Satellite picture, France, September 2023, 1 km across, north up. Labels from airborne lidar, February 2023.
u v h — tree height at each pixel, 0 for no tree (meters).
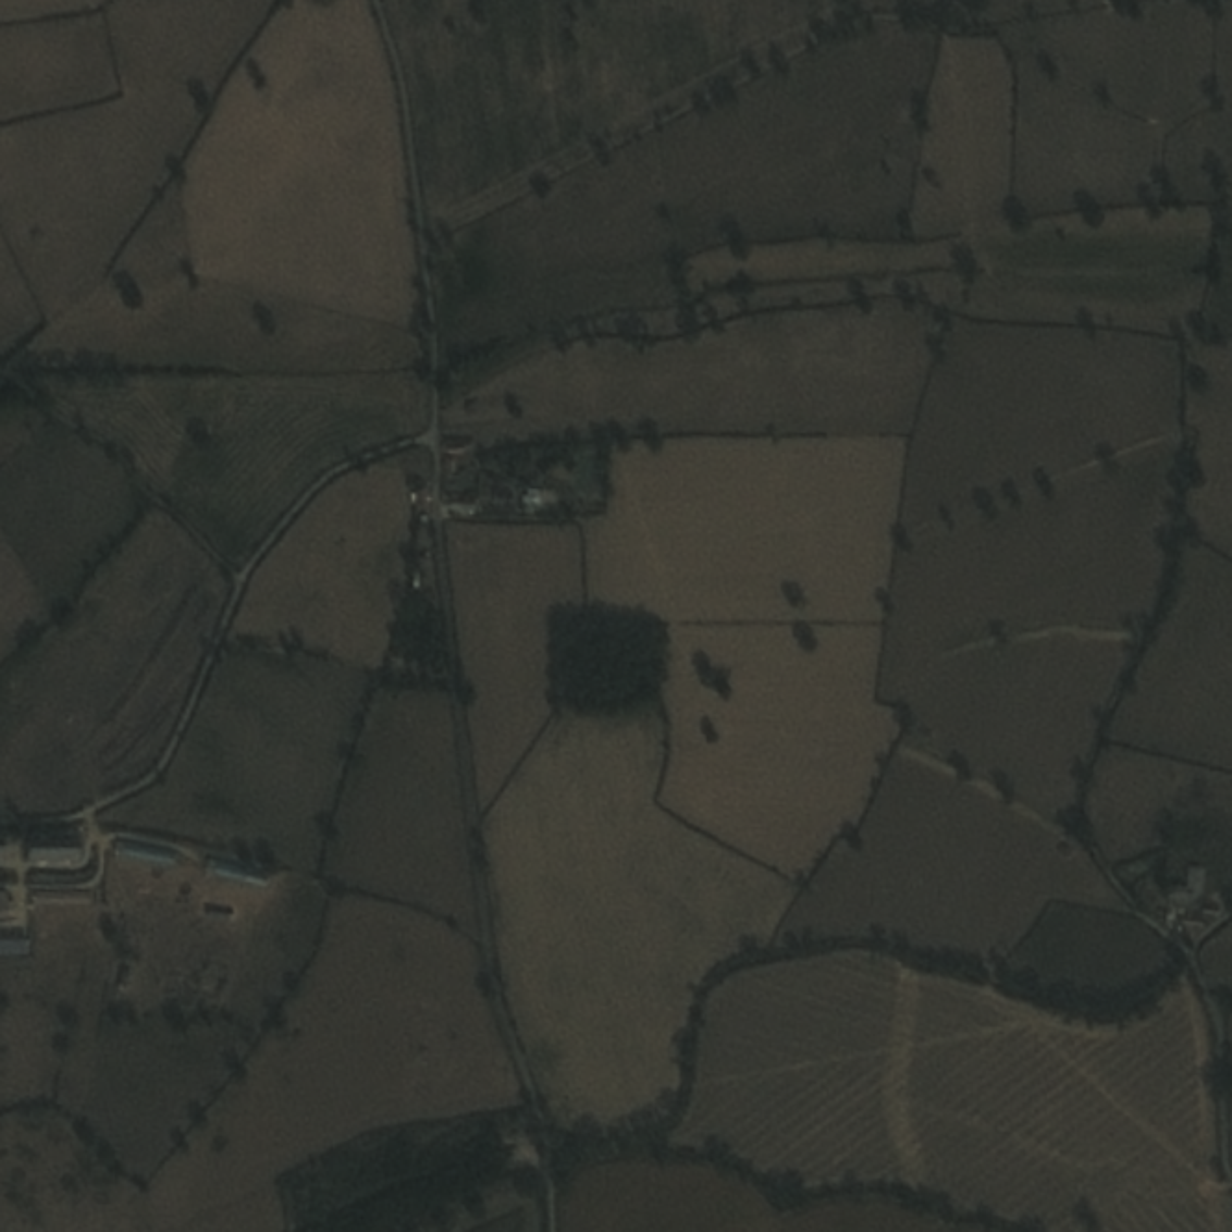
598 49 0
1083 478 0
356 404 0
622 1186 0
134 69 0
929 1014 0
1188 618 0
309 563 0
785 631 0
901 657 0
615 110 0
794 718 0
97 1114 0
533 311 0
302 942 0
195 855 0
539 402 0
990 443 0
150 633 0
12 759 0
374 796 0
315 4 0
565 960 0
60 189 0
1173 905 0
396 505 0
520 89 0
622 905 0
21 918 0
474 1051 0
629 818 0
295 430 0
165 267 0
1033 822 0
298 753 0
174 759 0
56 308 0
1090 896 0
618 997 0
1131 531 0
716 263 0
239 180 0
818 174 0
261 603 0
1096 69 0
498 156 0
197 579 0
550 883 0
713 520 0
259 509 0
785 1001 0
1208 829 0
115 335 0
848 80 0
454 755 0
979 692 0
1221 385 0
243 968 0
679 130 0
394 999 0
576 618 17
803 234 0
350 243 0
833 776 0
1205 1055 0
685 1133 0
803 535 0
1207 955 0
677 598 0
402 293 0
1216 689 0
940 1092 0
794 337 0
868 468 0
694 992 10
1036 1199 0
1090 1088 0
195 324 0
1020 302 0
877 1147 0
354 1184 6
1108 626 0
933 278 0
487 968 0
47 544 0
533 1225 0
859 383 0
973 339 0
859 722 0
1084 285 0
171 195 0
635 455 0
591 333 16
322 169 0
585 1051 0
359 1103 0
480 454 10
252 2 0
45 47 0
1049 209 0
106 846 0
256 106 0
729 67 0
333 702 0
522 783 0
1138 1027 0
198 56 0
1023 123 0
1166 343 0
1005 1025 0
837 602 0
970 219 0
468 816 0
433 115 0
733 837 0
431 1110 0
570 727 0
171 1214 0
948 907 0
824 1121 0
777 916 0
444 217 0
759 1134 0
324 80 0
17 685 0
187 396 0
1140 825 0
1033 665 0
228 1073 12
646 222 0
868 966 0
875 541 0
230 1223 0
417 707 0
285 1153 0
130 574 0
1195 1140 0
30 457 0
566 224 0
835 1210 0
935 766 0
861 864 0
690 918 0
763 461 0
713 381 0
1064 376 0
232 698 0
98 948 0
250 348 0
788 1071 0
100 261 0
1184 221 0
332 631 0
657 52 0
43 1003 0
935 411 0
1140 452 0
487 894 0
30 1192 0
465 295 0
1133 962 0
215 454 0
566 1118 0
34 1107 7
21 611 0
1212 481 0
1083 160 0
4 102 0
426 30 0
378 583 0
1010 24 0
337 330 0
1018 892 0
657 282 0
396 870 0
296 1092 0
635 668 18
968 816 0
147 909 0
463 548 0
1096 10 0
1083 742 0
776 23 0
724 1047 0
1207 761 0
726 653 0
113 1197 0
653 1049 0
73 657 0
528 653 0
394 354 0
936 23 16
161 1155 0
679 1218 0
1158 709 0
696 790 0
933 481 0
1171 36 0
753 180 0
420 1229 16
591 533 0
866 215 0
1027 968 0
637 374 0
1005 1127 0
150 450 0
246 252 0
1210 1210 0
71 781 0
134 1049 0
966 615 0
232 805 0
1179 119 0
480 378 0
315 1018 0
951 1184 0
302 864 0
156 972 0
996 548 0
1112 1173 0
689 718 0
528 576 0
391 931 0
